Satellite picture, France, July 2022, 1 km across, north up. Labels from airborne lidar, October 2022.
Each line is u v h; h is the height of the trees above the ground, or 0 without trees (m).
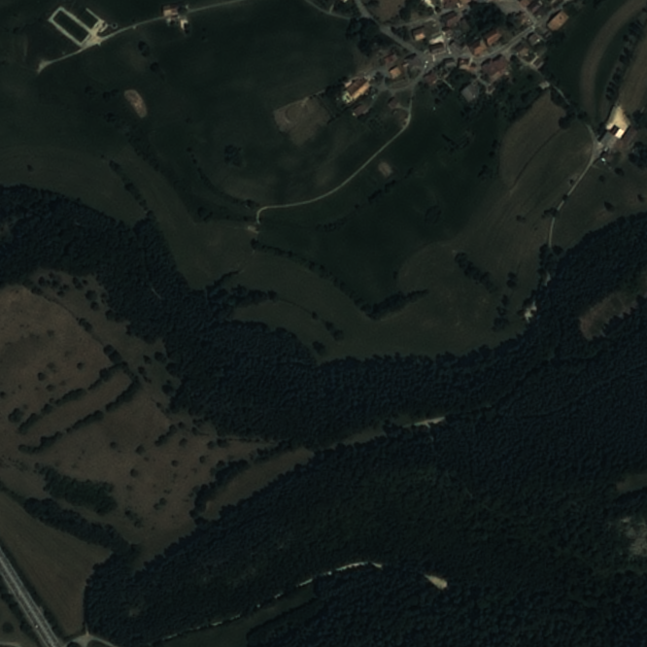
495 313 0
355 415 31
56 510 20
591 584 14
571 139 0
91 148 0
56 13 0
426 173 0
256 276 0
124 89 0
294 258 11
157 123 0
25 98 0
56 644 0
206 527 27
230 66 0
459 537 14
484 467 28
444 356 0
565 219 0
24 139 0
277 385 30
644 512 7
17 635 0
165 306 27
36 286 9
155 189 0
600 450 22
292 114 0
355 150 0
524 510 21
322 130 0
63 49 0
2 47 0
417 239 0
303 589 13
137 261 28
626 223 21
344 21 0
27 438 0
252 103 0
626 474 16
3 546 7
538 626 18
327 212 0
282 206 0
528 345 26
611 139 0
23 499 6
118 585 22
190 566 20
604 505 17
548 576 16
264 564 8
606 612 27
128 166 0
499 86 8
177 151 0
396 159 0
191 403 13
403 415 6
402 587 21
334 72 0
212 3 0
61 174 0
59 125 0
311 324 0
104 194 0
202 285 0
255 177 0
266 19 0
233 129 0
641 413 23
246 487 0
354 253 0
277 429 19
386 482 9
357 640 19
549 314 25
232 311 20
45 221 25
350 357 0
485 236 0
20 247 19
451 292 0
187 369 16
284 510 19
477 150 0
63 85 0
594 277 22
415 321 0
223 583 10
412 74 6
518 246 0
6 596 10
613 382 17
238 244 0
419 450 25
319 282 0
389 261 0
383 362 20
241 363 31
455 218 0
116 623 19
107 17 0
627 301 0
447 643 21
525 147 0
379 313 23
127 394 9
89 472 0
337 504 16
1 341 0
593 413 20
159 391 0
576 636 23
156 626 23
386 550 14
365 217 0
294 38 0
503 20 20
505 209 0
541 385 22
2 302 0
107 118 7
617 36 0
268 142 0
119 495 0
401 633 17
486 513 20
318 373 28
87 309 0
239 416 19
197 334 22
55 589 0
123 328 0
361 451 21
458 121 0
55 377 0
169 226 0
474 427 21
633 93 0
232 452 0
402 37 9
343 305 0
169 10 0
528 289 0
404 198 0
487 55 0
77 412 0
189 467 0
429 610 18
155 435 0
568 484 21
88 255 25
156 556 0
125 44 0
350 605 28
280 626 15
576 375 19
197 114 0
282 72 0
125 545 20
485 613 17
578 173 0
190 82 0
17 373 0
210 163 0
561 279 18
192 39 0
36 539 0
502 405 23
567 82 0
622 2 0
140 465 0
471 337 0
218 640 0
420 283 0
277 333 7
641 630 7
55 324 0
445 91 11
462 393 31
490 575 16
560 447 23
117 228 21
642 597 8
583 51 0
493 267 0
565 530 22
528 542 9
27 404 0
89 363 0
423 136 0
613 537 11
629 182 0
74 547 0
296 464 0
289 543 8
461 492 17
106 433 0
